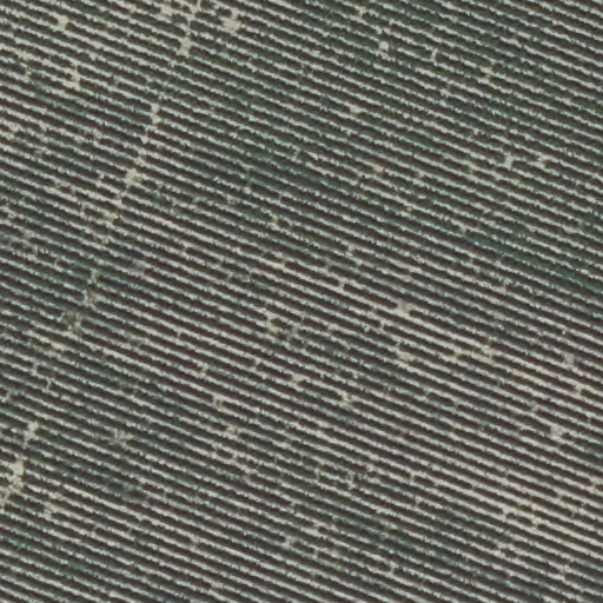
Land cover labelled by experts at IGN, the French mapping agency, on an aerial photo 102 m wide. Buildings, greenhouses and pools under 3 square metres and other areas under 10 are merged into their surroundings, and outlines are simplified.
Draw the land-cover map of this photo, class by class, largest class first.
<instances>
[{"label":"vineyard","instance_id":"1","mask_svg":"<svg viewBox=\"0 0 603 603\"><path fill-rule=\"evenodd\" d=\"M0 603H603V0H0Z\"/></svg>","mask_w":603,"mask_h":603}]
</instances>
